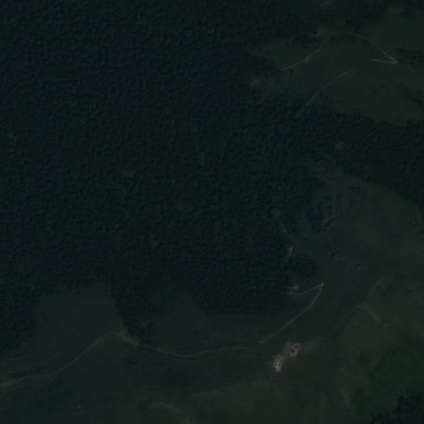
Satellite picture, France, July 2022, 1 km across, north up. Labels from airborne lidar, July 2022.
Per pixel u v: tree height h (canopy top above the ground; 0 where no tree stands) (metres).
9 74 31
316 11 7
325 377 0
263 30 23
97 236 11
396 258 0
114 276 20
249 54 13
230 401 0
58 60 28
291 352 0
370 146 25
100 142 9
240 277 26
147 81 18
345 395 0
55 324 0
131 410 0
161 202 16
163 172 16
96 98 26
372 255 0
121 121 25
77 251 16
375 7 11
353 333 0
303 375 0
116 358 0
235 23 23
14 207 20
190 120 22
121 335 0
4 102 26
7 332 12
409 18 8
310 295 0
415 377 0
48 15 23
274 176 17
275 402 0
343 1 9
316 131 23
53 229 23
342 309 0
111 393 0
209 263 19
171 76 18
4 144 27
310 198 13
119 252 25
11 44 32
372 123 23
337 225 0
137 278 30
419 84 0
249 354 0
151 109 30
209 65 28
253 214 12
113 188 8
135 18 39
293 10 6
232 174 18
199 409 0
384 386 0
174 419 0
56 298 0
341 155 16
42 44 27
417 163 20
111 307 0
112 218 23
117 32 34
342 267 0
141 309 23
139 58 11
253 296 20
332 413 0
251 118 17
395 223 0
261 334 0
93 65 28
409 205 0
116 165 20
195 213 20
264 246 18
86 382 0
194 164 20
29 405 0
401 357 0
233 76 27
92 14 27
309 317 0
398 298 0
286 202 15
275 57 0
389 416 15
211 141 32
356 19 8
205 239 18
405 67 0
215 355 0
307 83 0
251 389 0
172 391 0
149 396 0
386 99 0
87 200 9
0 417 0
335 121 23
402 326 0
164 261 19
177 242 10
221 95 25
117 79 28
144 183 19
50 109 22
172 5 23
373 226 0
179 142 17
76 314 0
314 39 5
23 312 16
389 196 0
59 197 23
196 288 10
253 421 0
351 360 0
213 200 16
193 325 0
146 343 7
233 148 22
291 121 14
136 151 15
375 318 0
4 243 26
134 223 24
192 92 31
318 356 0
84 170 25
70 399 0
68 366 0
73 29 19
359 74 0
